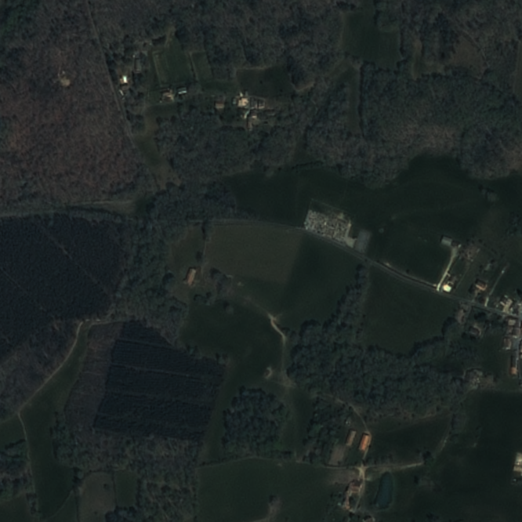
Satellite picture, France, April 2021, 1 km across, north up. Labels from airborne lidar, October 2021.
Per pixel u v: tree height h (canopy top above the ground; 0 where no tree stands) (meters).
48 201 20
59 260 15
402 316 0
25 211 19
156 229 25
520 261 0
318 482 0
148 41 14
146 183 20
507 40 6
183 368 10
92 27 8
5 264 15
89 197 18
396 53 0
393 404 21
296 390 0
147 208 0
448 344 12
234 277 0
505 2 18
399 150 27
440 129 28
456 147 22
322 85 24
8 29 22
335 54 15
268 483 0
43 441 0
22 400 14
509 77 8
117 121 14
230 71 14
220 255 0
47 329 13
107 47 16
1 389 22
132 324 9
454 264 0
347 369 17
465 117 26
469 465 0
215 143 25
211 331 0
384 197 0
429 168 0
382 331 0
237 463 0
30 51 10
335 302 0
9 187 13
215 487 0
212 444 0
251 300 0
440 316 0
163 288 9
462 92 24
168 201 19
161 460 13
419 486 20
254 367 0
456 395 22
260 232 0
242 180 0
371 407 20
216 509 0
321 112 8
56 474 0
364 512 0
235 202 19
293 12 9
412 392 22
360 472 0
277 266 0
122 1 20
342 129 11
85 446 10
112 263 14
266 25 19
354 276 0
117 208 0
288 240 0
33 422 0
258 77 0
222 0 13
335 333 24
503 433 0
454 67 7
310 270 0
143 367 9
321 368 16
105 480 0
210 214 17
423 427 0
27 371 16
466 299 0
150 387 8
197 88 18
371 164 26
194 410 9
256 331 0
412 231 0
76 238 16
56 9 11
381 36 0
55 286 15
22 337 15
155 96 0
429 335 0
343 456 0
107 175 6
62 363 10
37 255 16
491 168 30
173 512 23
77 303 14
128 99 12
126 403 10
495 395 0
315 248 0
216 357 0
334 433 17
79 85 11
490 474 0
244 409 28
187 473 15
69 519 0
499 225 0
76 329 13
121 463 19
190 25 14
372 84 17
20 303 15
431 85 18
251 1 22
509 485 0
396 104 24
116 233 14
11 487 17
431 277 0
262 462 0
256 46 15
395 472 0
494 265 10
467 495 0
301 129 16
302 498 0
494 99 23
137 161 16
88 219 14
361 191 0
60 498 0
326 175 0
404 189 0
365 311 0
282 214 0
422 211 0
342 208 0
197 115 19
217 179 10
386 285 0
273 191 0
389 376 23
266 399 23
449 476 0
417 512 0
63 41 8
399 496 0
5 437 0
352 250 0
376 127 26
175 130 20
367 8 0
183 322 13
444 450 0
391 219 0
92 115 18
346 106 19
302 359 20
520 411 0
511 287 0
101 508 0
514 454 0
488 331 12
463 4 25
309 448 17
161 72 0
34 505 19
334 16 22
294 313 0
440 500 0
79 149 10
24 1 19
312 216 0
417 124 25
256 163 9
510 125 23
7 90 8
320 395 12
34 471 0
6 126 18
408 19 9
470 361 19
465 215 0
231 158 28
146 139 0
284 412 25
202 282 0
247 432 22
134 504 0
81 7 9
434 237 0
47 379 10
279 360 0
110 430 8
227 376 0
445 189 0
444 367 0
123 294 21
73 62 8
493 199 18
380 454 0
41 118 9
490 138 23
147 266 24
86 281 15
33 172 6
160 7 20
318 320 0
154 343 10
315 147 23
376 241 0
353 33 0
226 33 15
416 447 0
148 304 22
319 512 0
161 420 9
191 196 15
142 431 7
